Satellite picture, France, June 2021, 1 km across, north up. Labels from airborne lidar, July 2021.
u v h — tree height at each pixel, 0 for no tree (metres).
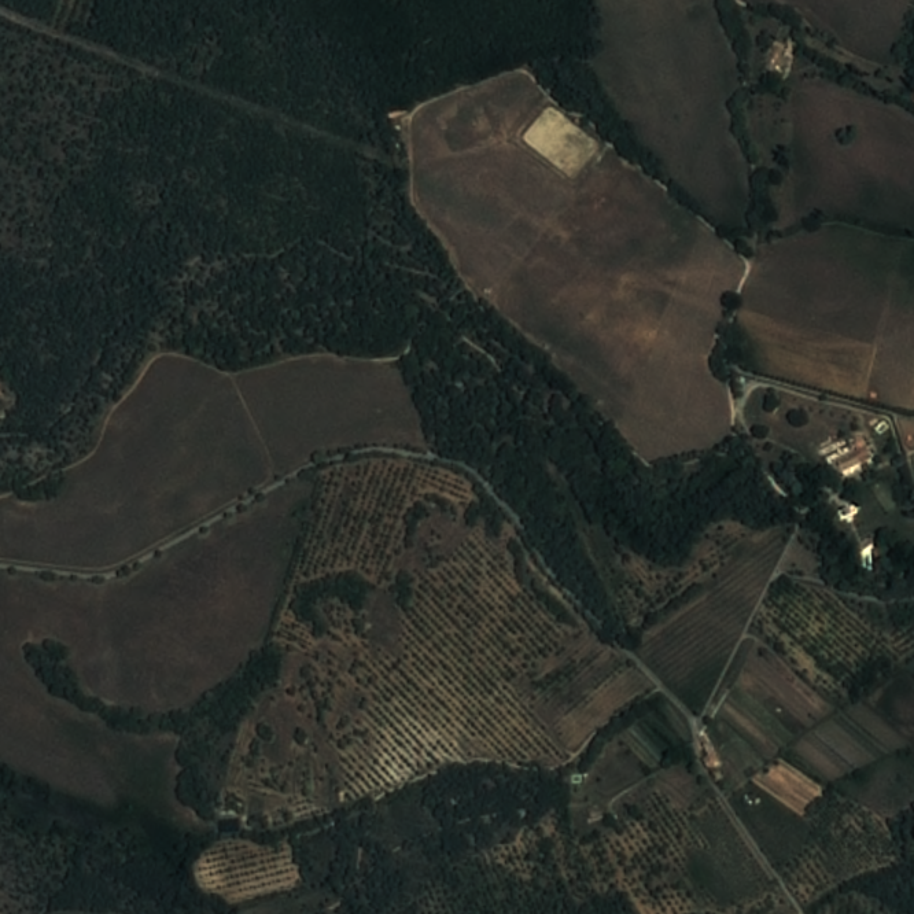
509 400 16
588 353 0
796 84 0
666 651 0
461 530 0
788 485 22
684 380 0
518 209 0
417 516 10
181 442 0
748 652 0
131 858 7
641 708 13
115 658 0
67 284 7
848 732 0
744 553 0
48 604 0
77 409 7
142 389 0
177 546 0
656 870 7
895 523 0
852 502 20
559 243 0
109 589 0
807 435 0
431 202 0
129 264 9
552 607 10
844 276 0
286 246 10
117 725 11
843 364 0
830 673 12
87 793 0
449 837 8
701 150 0
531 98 0
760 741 0
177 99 7
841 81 14
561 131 0
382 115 9
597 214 0
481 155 0
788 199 0
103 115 7
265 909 0
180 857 8
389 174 12
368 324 10
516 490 13
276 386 0
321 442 0
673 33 0
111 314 10
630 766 0
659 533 14
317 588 8
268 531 0
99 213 9
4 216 8
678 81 0
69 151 11
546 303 0
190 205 6
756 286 0
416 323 10
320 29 9
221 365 10
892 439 8
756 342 0
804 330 0
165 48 6
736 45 11
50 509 0
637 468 10
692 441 0
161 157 7
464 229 0
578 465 14
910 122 0
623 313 0
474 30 9
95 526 0
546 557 9
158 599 0
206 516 0
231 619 0
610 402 0
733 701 0
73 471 0
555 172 0
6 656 0
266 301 7
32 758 0
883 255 0
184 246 8
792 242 0
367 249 13
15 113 8
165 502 0
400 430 0
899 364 0
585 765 9
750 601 0
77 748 0
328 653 6
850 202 0
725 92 0
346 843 9
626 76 0
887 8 0
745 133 7
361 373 0
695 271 0
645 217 0
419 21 8
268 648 9
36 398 8
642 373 0
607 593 6
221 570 0
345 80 5
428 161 0
